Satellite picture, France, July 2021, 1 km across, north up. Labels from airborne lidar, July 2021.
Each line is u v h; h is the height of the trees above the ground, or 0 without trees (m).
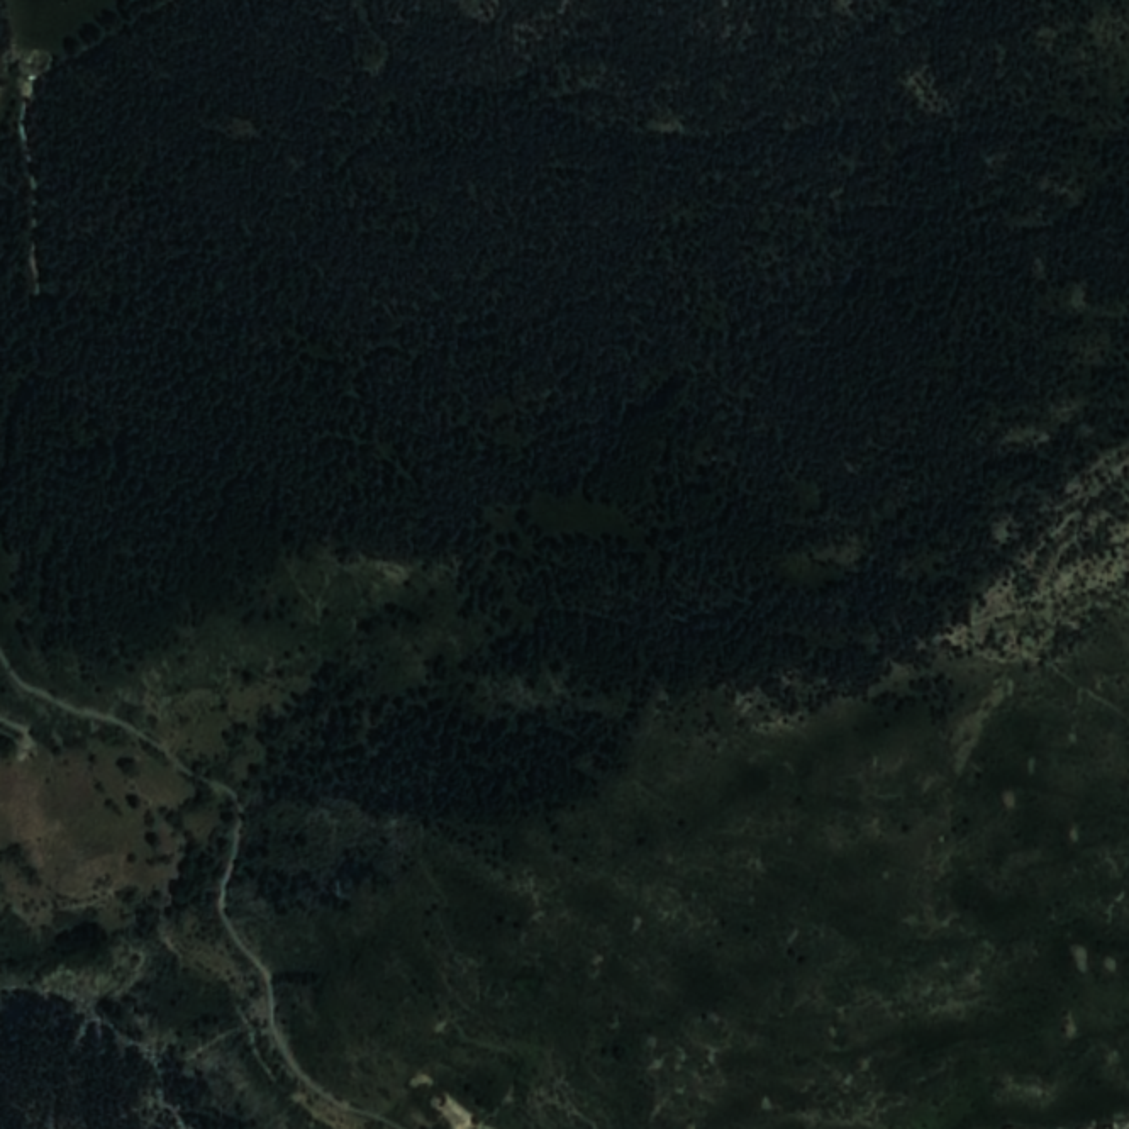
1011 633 0
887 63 10
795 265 12
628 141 13
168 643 13
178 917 6
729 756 0
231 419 17
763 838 0
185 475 23
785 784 0
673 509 14
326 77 8
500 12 9
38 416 20
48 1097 13
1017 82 7
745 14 9
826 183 9
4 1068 11
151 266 13
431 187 14
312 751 7
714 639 20
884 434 11
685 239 8
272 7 14
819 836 0
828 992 0
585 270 11
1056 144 8
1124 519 8
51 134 14
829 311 11
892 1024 0
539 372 12
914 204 7
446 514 12
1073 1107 0
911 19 9
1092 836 0
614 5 12
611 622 16
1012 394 9
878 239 13
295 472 21
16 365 21
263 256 13
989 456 7
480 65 13
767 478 8
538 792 17
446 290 14
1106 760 0
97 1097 13
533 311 9
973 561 6
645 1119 0
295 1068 0
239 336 19
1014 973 0
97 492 14
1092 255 8
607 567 18
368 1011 0
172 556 17
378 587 0
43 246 14
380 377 14
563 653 11
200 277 14
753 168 8
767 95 7
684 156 11
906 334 11
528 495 20
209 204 10
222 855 8
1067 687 0
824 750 0
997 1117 0
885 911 0
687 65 7
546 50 10
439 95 12
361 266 12
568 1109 0
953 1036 0
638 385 9
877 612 11
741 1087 0
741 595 14
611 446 14
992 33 9
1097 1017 0
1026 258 7
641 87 9
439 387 16
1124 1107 0
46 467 14
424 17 10
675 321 14
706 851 0
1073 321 7
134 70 13
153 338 21
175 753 0
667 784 0
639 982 0
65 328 14
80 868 0
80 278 16
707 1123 0
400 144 11
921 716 0
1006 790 0
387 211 8
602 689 6
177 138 10
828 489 8
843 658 12
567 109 7
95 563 19
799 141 8
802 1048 0
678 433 20
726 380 12
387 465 11
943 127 11
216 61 11
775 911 0
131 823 0
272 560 12
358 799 12
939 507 10
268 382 21
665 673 16
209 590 22
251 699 0
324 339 16
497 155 11
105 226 15
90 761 8
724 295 9
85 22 0
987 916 0
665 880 0
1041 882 0
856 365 9
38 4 0
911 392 9
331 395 26
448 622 0
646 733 0
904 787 0
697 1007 0
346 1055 0
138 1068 21
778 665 10
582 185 13
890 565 7
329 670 17
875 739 0
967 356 11
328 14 11
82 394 17
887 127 9
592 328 11
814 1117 0
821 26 9
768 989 0
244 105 11
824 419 14
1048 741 0
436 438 9
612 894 0
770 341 14
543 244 11
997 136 9
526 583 9
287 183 9
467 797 20
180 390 22
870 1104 0
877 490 9
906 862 0
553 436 20
